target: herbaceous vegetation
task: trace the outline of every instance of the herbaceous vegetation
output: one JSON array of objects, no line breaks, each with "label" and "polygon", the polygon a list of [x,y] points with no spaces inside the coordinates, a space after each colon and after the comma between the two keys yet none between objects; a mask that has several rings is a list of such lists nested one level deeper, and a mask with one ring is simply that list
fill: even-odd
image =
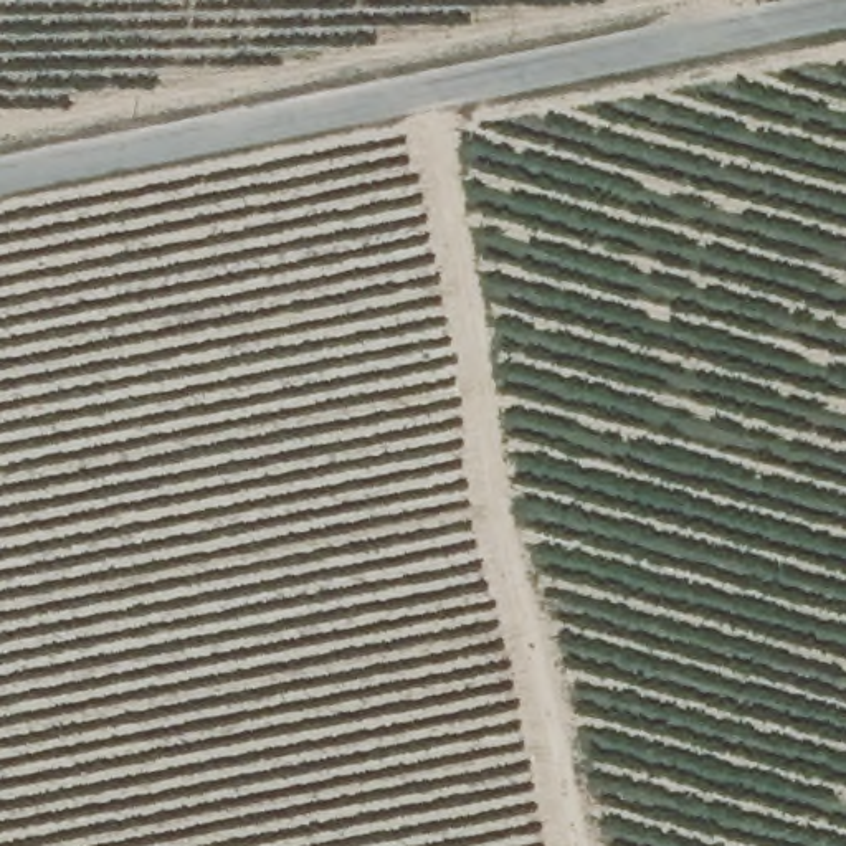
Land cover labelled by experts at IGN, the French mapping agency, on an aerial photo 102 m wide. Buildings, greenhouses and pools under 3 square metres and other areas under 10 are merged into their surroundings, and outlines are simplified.
[{"label": "herbaceous vegetation", "polygon": [[281,89],[261,89],[139,116],[116,116],[59,132],[0,139],[0,155],[294,99],[324,89],[360,86],[373,79],[413,76],[506,53],[611,36],[664,20],[664,10],[648,10],[638,17],[618,17],[582,30],[459,46],[440,56],[406,63],[340,69],[334,76]]},{"label": "herbaceous vegetation", "polygon": [[701,66],[724,66],[737,59],[846,43],[846,26],[473,99],[459,106],[459,116],[473,116],[476,109],[506,102],[588,93],[618,83],[674,76]]}]

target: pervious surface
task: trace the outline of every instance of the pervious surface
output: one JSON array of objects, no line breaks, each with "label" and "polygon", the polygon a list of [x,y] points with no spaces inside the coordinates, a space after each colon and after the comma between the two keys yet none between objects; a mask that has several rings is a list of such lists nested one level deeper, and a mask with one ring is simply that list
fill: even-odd
[{"label": "pervious surface", "polygon": [[539,595],[532,595],[529,585],[529,549],[542,542],[542,532],[519,529],[512,519],[516,466],[502,453],[502,410],[512,406],[512,397],[499,393],[489,367],[492,327],[482,314],[473,228],[466,225],[469,212],[459,182],[463,132],[459,116],[423,106],[406,119],[406,165],[420,175],[430,225],[430,251],[440,271],[440,307],[446,314],[449,347],[456,354],[456,383],[446,390],[416,393],[416,403],[459,397],[463,406],[463,469],[469,482],[469,509],[459,509],[459,519],[473,522],[476,529],[479,562],[486,568],[486,585],[496,601],[502,648],[512,668],[512,691],[519,701],[522,750],[532,770],[532,793],[545,846],[605,846],[598,829],[601,803],[575,780],[575,734],[582,714],[575,714],[572,691],[562,684],[565,664],[558,648],[558,621],[542,611]]}]

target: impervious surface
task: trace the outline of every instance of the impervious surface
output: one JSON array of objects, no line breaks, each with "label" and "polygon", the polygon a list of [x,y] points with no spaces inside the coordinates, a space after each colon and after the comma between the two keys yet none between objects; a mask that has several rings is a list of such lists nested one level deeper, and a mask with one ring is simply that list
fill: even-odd
[{"label": "impervious surface", "polygon": [[473,99],[846,26],[846,0],[773,0],[767,13],[674,23],[668,30],[625,40],[611,36],[506,53],[413,76],[373,79],[360,86],[324,89],[294,99],[0,155],[0,192],[106,172],[119,165],[142,165],[225,145],[245,145],[258,139],[294,135],[324,126],[344,126],[357,119],[406,119],[423,106],[459,116],[459,106]]}]

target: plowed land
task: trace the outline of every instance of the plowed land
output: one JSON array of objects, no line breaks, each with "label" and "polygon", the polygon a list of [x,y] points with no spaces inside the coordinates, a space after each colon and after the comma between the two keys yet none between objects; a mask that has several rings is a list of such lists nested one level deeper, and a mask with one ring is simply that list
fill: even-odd
[{"label": "plowed land", "polygon": [[340,69],[406,63],[440,56],[459,46],[582,30],[618,17],[638,17],[648,10],[664,10],[664,20],[611,36],[625,40],[668,30],[674,23],[767,13],[773,0],[601,0],[572,7],[479,7],[463,26],[380,26],[377,43],[324,46],[314,59],[284,59],[281,66],[238,69],[162,66],[155,89],[79,89],[69,99],[69,109],[0,109],[0,139],[59,132],[116,116],[139,116],[261,89],[281,89],[334,76]]},{"label": "plowed land", "polygon": [[641,96],[664,99],[671,89],[681,86],[730,83],[740,76],[760,83],[773,69],[796,69],[806,63],[846,63],[846,43],[737,59],[724,66],[701,66],[674,76],[618,83],[588,93],[506,102],[476,109],[473,116],[459,116],[463,132],[476,132],[489,119],[522,119],[549,112],[568,116],[578,106],[595,102]]}]

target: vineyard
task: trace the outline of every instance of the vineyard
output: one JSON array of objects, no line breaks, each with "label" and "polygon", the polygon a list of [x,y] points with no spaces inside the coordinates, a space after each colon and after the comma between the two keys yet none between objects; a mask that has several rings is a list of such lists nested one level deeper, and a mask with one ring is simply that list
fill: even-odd
[{"label": "vineyard", "polygon": [[565,664],[562,684],[572,691],[575,714],[582,714],[575,734],[575,780],[601,803],[598,829],[605,846],[846,846],[846,63],[806,63],[796,69],[773,69],[760,83],[740,76],[730,83],[681,86],[671,89],[664,99],[641,96],[595,102],[578,106],[568,116],[549,112],[522,119],[489,119],[476,132],[463,132],[459,182],[469,212],[466,225],[473,228],[482,314],[492,327],[489,367],[499,393],[512,397],[512,406],[502,410],[502,453],[516,466],[512,519],[519,529],[542,532],[542,542],[529,549],[529,585],[532,595],[539,595],[542,611],[558,621],[558,648]]},{"label": "vineyard", "polygon": [[162,66],[238,69],[281,66],[284,59],[314,59],[324,46],[377,43],[380,26],[463,26],[479,7],[572,7],[601,0],[0,0],[0,109],[69,109],[69,99],[79,89],[155,89]]},{"label": "vineyard", "polygon": [[459,509],[469,509],[469,482],[463,469],[463,406],[459,397],[416,403],[416,393],[446,390],[456,383],[456,354],[449,347],[446,314],[440,307],[440,271],[430,251],[430,225],[420,175],[406,165],[406,119],[357,119],[344,126],[324,126],[294,135],[258,139],[245,145],[225,145],[142,165],[119,165],[106,172],[0,192],[0,846],[545,846],[532,793],[532,770],[522,750],[519,701],[512,691],[512,668],[502,648],[496,601],[486,585],[486,568],[479,562],[476,529],[473,522],[459,519]]}]

